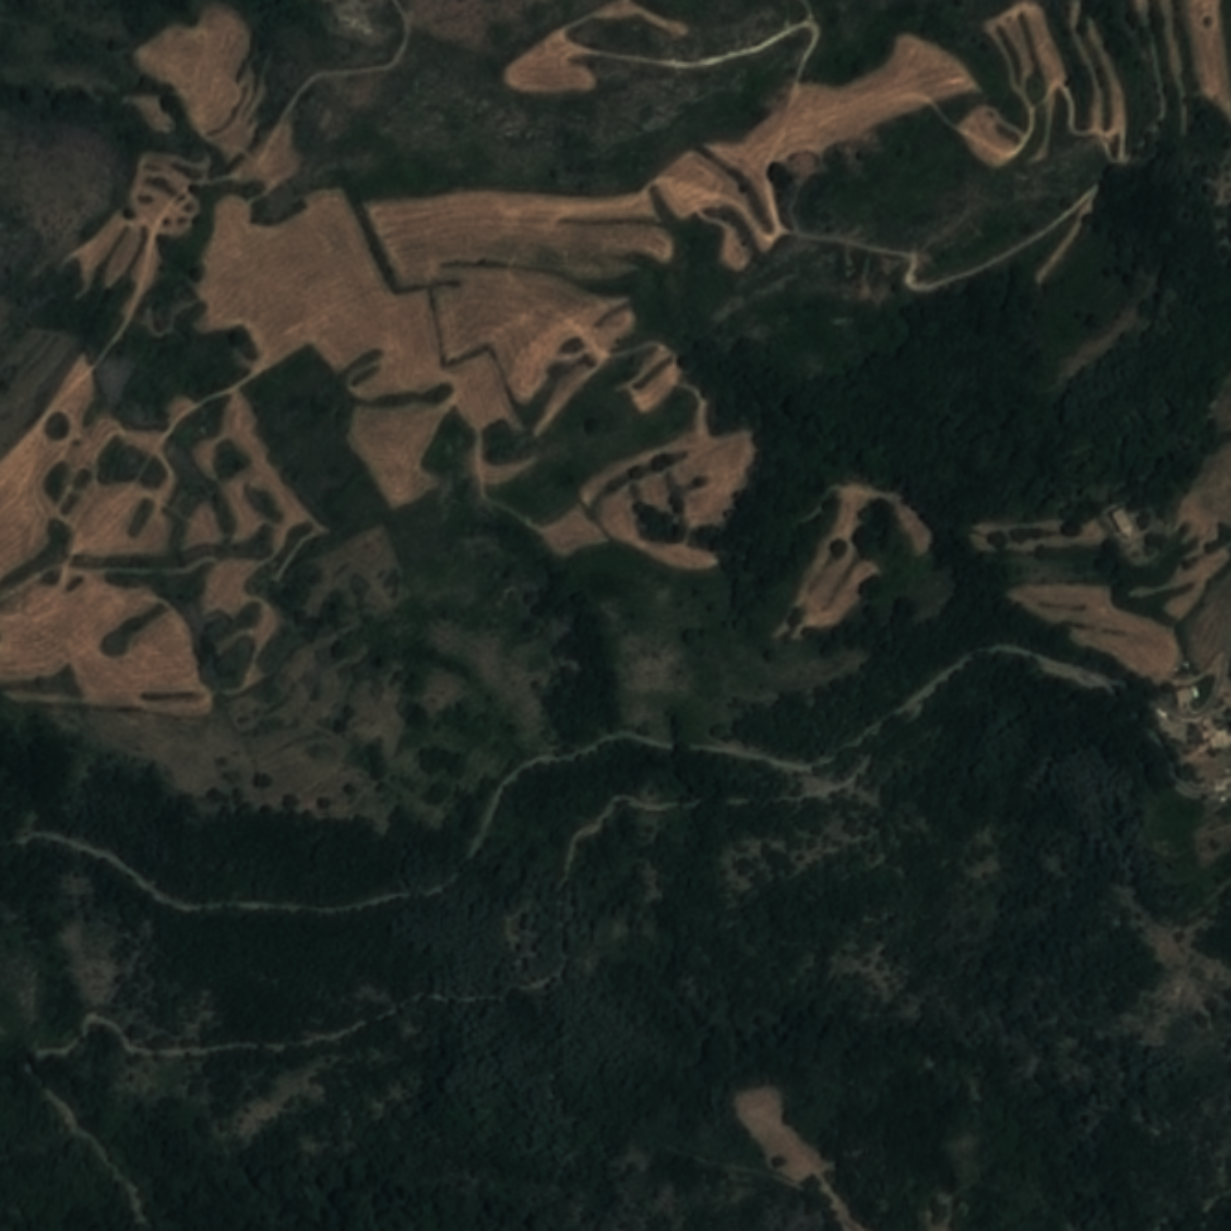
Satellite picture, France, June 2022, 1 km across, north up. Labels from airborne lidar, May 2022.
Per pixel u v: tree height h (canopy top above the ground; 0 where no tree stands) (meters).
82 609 0
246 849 9
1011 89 0
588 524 0
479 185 0
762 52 0
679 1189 6
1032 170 0
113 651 0
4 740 8
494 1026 24
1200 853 0
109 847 10
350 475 0
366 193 0
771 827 11
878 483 6
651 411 0
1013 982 11
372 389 0
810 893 13
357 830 11
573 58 0
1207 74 0
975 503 14
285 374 0
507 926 15
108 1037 14
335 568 0
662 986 9
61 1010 11
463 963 19
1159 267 14
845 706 11
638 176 0
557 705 11
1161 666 0
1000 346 7
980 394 17
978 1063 9
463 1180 7
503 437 0
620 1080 13
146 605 0
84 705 0
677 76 0
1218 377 13
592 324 0
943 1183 7
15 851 12
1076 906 6
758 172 0
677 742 14
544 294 0
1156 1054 18
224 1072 11
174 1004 9
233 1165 7
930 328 13
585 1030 18
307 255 0
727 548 11
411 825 8
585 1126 15
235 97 0
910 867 9
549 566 14
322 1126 13
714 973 10
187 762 0
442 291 0
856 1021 15
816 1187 8
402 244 0
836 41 0
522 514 0
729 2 0
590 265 0
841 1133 9
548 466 0
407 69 0
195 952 12
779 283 0
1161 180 15
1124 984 8
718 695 0
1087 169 0
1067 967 9
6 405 0
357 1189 19
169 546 0
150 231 0
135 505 0
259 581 0
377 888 12
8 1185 11
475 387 0
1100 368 11
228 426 0
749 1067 17
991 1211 9
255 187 0
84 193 0
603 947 7
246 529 0
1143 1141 9
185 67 0
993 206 0
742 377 9
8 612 0
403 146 0
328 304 0
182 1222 13
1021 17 0
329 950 11
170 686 0
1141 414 19
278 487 0
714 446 0
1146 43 9
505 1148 11
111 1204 11
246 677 0
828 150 0
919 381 16
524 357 0
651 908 7
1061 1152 11
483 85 0
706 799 19
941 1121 10
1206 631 0
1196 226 10
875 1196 7
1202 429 10
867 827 7
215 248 0
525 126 0
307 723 0
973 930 8
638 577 0
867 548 14
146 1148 10
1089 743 14
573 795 9
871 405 17
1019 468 16
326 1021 8
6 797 13
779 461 7
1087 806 22
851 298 0
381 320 0
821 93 0
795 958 10
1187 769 8
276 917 12
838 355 0
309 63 0
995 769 26
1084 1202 8
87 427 0
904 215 0
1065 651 8
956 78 0
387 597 0
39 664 0
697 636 14
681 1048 14
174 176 0
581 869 7
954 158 0
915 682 12
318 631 7
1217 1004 6
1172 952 0
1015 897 11
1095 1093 10
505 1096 16
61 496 0
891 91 0
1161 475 15
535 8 0
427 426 0
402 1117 15
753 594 12
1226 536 7
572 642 13
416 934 22
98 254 0
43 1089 7
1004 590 13
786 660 0
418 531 0
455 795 6
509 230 0
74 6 6
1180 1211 6
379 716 0
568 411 0
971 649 13
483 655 0
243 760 0
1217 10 0
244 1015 12
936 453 16
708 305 0
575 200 0
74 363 0
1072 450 13
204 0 0
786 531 16
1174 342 10
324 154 0
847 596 0
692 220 0
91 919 9
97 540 0
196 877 7
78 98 6
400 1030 14
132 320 0
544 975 13
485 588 0
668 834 8
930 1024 6
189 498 0
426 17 0
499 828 7
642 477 10
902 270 0
